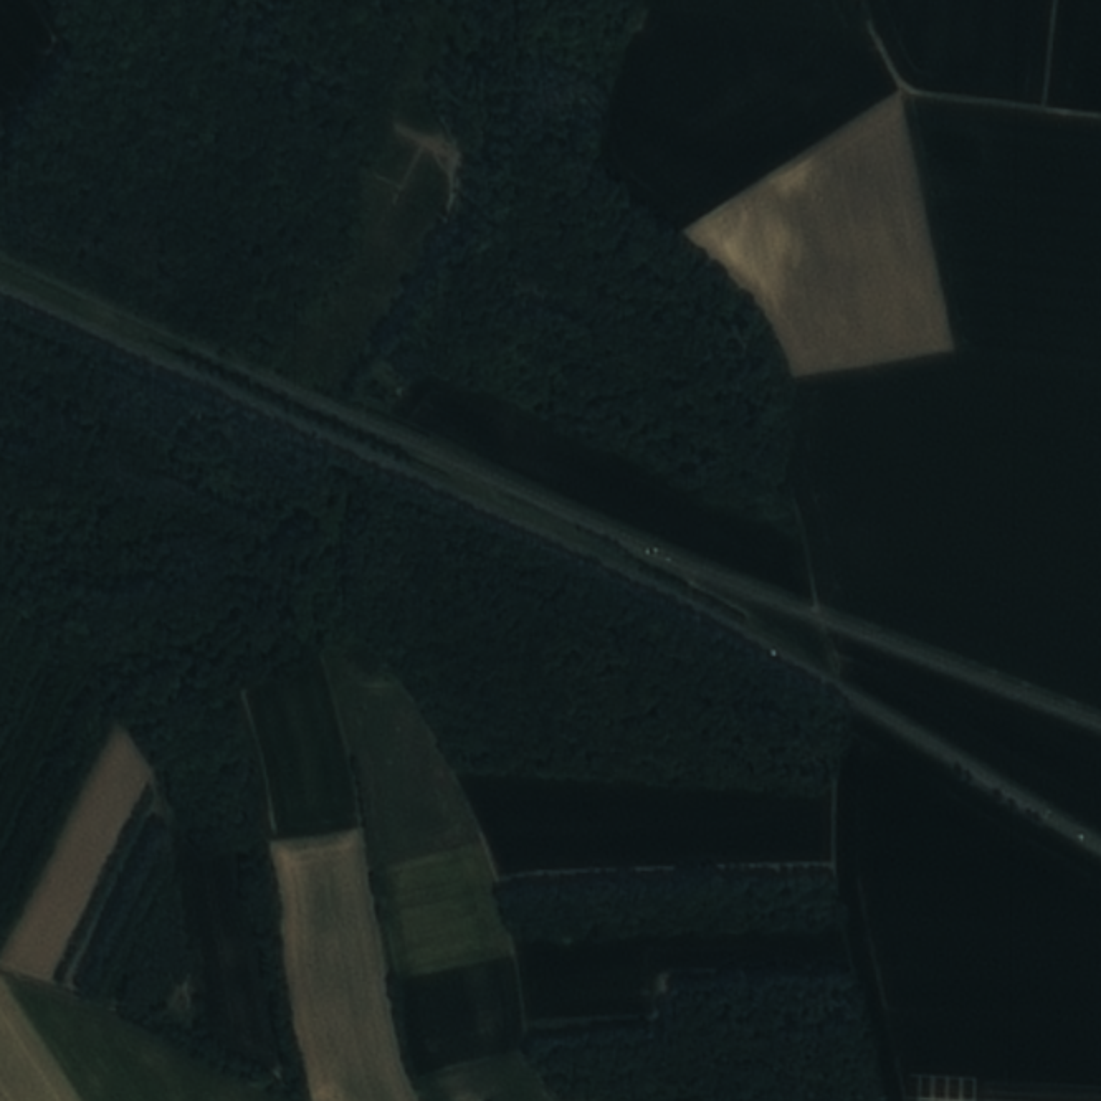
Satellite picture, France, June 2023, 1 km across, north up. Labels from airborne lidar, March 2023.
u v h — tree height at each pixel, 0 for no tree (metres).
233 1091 0
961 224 0
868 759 0
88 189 25
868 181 0
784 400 18
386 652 15
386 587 22
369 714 0
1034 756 0
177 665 19
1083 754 0
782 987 24
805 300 0
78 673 10
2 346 25
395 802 0
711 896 22
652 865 0
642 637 28
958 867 0
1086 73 0
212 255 25
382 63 24
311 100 23
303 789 0
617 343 26
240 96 24
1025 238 0
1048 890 0
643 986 0
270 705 0
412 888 0
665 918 21
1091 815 0
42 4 0
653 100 0
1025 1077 0
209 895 0
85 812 0
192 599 26
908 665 0
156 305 22
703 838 0
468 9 26
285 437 22
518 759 17
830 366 0
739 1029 25
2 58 0
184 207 26
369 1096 0
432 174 0
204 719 25
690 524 0
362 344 0
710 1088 25
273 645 18
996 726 0
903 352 0
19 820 19
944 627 0
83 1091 0
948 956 0
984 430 0
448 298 20
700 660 25
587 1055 20
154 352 0
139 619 26
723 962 0
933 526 0
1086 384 0
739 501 14
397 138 0
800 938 0
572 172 25
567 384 21
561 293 21
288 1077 8
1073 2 0
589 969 0
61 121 26
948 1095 0
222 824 20
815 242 0
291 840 0
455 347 18
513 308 21
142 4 24
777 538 0
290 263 29
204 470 17
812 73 0
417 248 0
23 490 20
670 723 26
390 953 0
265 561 25
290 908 0
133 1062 0
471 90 25
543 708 26
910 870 0
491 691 24
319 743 0
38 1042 0
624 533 0
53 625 18
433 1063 0
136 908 21
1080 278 0
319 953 0
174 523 21
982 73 0
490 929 0
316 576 25
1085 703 0
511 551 13
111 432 19
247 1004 0
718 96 0
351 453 12
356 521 17
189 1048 8
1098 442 0
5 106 0
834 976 17
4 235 19
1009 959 0
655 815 0
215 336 22
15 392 19
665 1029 16
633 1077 22
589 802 0
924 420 0
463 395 0
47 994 0
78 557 18
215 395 23
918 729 0
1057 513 0
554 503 0
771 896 20
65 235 24
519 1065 0
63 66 23
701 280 21
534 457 0
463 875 0
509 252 17
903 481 0
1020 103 0
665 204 0
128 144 26
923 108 0
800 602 0
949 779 0
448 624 24
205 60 24
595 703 26
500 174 22
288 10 26
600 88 20
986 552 0
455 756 16
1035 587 0
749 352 25
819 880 15
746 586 0
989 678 0
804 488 0
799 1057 25
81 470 19
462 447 0
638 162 0
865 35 0
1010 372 0
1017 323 0
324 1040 0
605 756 24
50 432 25
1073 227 0
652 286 24
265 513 22
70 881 0
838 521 0
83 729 14
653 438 25
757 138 0
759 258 0
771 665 22
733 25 0
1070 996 0
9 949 0
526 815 0
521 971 0
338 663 0
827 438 0
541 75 23
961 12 0
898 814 0
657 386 24
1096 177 0
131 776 0
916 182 0
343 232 28
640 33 0
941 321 0
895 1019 0
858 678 0
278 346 21
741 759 26
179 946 19
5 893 19
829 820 0
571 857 0
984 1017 0
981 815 0
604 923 22
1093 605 0
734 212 0
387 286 0
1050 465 0
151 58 25
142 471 20
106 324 0
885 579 0
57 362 23
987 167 0
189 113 25
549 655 25
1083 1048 0
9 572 19
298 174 25
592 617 26
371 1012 0
